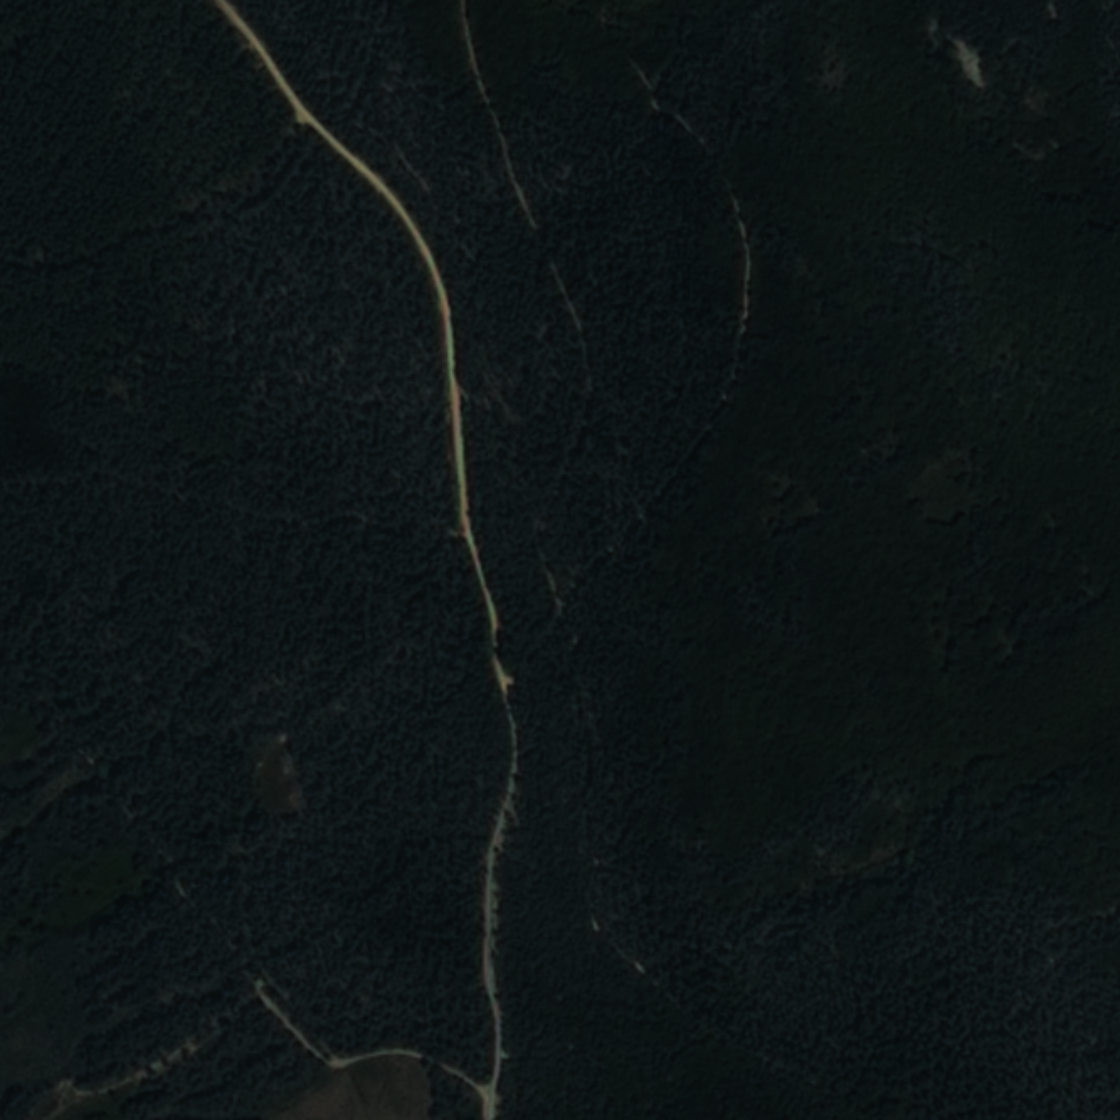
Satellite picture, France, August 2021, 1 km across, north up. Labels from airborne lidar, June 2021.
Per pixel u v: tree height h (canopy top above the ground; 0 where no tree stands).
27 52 19
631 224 19
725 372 17
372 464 14
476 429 14
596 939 7
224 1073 7
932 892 14
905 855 14
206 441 23
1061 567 8
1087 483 12
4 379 18
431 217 15
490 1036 9
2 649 10
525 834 7
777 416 11
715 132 15
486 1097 0
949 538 12
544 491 17
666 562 8
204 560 19
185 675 21
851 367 10
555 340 17
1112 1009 12
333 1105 0
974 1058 8
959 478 5
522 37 11
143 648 21
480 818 14
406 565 19
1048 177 10
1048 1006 11
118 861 0
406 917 10
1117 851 11
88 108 19
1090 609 15
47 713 13
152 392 16
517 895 8
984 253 7
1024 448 12
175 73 16
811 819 15
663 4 7
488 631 12
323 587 12
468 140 15
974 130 12
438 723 15
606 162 17
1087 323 9
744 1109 12
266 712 11
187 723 18
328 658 7
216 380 21
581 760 20
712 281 12
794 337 8
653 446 14
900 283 13
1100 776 18
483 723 12
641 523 18
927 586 15
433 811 17
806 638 15
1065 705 21
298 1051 14
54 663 18
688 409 18
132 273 16
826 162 16
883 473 14
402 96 13
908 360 9
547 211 14
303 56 15
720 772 12
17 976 0
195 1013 11
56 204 17
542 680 20
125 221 21
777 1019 15
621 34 10
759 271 6
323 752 12
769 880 8
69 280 22
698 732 11
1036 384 8
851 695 11
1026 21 15
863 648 16
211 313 13
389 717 16
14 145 22
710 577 10
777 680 21
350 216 12
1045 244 13
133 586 20
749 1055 10
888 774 13
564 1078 8
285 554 17
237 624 13
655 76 12
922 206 7
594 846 13
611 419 18
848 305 10
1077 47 13
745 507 8
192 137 18
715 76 16
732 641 16
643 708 16
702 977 7
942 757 20
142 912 16
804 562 16
